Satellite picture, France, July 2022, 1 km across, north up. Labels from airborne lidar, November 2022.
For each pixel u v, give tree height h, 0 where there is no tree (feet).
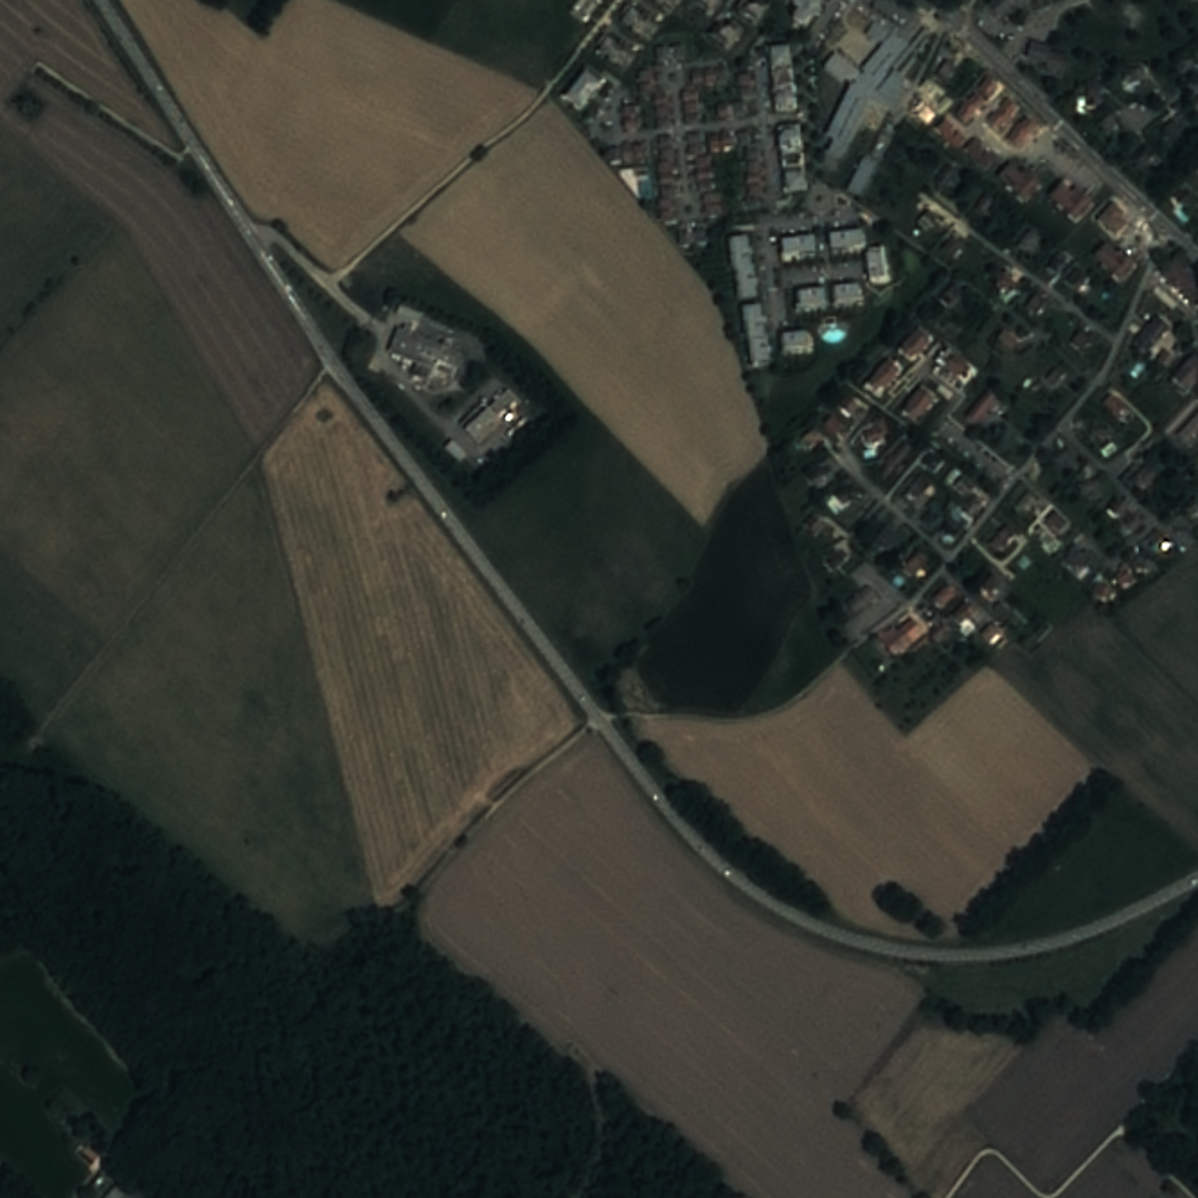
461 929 0
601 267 0
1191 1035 0
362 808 0
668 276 0
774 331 0
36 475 0
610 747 0
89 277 0
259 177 0
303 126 0
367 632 0
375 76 0
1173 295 0
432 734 0
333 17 0
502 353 54
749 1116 0
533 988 0
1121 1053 0
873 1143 56
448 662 0
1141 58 0
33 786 85
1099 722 0
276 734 0
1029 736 0
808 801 0
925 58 31
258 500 0
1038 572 0
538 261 0
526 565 0
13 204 0
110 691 0
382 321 0
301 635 0
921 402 0
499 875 0
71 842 96
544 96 0
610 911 0
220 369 0
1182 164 72
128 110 0
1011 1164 0
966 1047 0
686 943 0
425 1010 81
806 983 0
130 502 0
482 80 0
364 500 0
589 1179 26
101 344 0
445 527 0
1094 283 35
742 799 0
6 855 90
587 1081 39
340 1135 79
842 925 0
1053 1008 54
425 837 0
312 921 0
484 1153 86
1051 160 0
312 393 0
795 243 0
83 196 0
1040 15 0
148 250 0
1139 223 0
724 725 0
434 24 0
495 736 0
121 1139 44
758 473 0
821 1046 0
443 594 0
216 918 74
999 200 29
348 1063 66
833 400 64
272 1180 76
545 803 0
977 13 0
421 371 0
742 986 0
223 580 0
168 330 0
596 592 0
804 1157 0
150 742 0
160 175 0
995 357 18
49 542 0
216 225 0
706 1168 94
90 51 0
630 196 0
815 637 0
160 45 0
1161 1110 26
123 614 0
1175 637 0
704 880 0
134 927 100
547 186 0
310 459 0
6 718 65
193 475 0
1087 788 47
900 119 0
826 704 0
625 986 0
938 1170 0
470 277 0
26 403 0
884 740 0
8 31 0
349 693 0
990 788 0
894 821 0
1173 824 0
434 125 0
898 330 66
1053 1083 0
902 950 0
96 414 0
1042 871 79
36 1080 28
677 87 0
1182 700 0
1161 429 27
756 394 38
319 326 0
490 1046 29
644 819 0
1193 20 57
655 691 0
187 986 82
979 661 31
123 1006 80
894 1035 0
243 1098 79
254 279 0
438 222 0
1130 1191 0
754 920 0
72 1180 0
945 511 17
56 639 0
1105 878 0
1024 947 0
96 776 0
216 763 0
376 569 0
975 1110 0
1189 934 68
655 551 0
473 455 0
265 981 69
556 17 0
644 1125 81
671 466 0
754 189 0
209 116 0
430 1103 82
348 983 40
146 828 67
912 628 0
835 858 0
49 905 83
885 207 0
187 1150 93
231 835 0
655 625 25
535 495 0
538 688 0
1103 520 25
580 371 0
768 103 0
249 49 0
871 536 44
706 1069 0
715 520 0
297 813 0
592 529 0
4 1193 75
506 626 0
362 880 0
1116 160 32
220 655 0
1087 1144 0
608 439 0
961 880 0
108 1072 0
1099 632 0
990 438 38
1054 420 39
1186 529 0
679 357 0
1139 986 73
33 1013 0
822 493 36
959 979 0
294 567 0
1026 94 0
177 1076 24
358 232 0
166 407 0
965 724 0
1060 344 25
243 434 0
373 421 0
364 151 0
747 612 0
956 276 22
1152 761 0
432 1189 66
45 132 0
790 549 0
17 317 0
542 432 52
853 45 0
